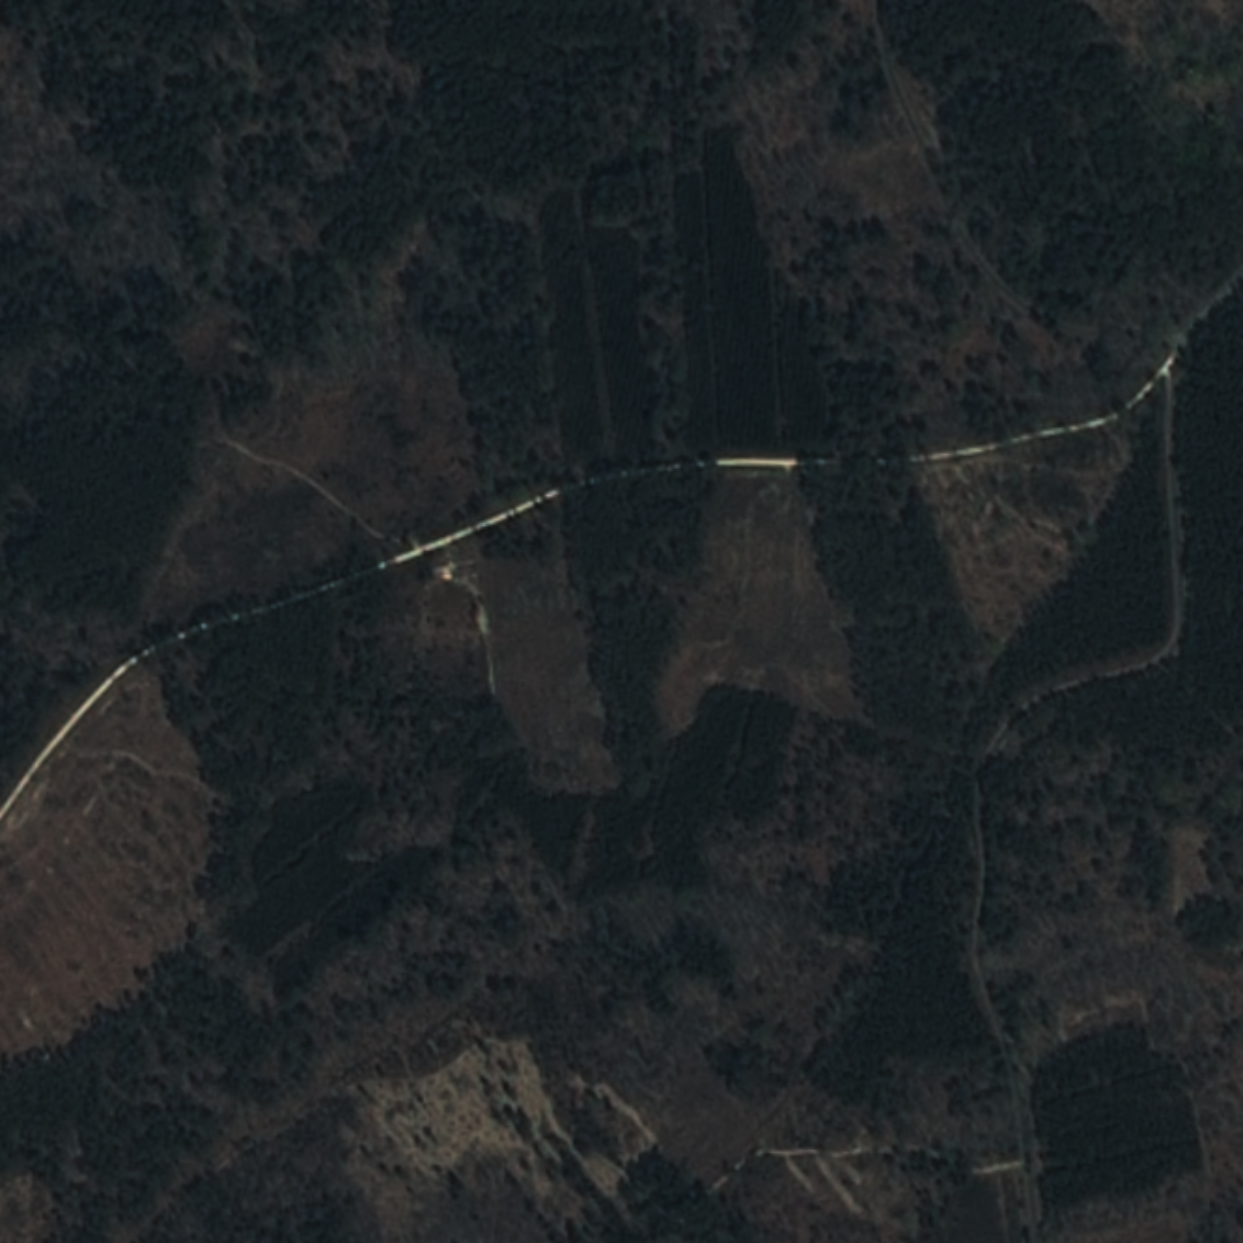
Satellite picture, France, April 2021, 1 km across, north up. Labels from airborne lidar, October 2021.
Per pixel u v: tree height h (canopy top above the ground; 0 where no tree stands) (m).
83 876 0
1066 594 14
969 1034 14
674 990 9
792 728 9
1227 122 15
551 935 17
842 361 7
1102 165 23
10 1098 25
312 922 7
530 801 8
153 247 13
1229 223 25
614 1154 8
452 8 23
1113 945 9
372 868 9
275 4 12
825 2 9
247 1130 7
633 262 6
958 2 22
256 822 26
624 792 6
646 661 25
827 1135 8
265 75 18
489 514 19
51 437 26
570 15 23
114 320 12
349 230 23
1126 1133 13
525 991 6
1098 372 21
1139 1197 13
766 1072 7
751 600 0
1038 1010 11
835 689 0
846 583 24
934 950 17
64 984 0
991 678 9
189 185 23
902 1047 13
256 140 7
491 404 23
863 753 12
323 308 11
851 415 19
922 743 23
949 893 14
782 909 7
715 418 9
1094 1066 11
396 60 17
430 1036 6
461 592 0
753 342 9
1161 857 24
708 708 10
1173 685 16
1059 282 23
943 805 12
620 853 11
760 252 11
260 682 26
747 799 10
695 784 11
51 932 0
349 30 22
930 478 22
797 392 8
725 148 10
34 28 26
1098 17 11
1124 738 16
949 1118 14
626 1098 12
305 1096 20
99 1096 26
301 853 9
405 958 11
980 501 18
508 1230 8
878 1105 11
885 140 8
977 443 13
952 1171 16
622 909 15
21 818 0
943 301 19
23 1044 0
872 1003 16
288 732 26
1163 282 16
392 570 13
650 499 21
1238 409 17
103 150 10
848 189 0
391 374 16
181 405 24
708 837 7
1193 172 22
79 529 26
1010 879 8
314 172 11
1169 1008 0
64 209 11
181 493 23
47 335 22
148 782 8
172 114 7
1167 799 14
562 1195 11
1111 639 14
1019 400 7
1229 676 16
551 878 9
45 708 24
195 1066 22
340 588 19
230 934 11
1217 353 19
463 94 22
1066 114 20
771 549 0
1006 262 16
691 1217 27
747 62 12
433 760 10
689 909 20
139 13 25
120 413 23
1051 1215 11
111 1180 25
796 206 11
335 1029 13
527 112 10
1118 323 11
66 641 7
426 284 14
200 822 7
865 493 21
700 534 23
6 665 11
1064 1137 11
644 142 13
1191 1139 15
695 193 11
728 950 13
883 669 26
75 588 23
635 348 7
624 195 21
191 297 10
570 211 6
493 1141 0
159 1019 29
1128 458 16
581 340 7
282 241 8
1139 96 16
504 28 21
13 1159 23
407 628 9
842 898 12
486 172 21
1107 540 16
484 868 25
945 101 15
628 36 22
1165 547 14
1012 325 17
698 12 11
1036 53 21
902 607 24
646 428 6
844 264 24
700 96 20
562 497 20
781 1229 9
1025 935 16
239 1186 9
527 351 24
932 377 19
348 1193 6
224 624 21
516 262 20
